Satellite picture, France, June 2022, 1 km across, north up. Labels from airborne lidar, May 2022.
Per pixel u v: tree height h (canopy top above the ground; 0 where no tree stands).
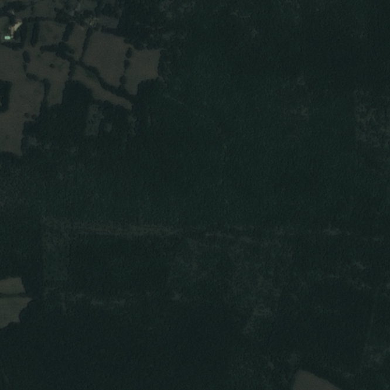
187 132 13
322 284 8
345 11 7
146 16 9
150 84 9
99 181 10
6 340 14
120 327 11
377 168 7
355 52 13
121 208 10
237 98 9
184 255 6
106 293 11
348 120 8
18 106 0
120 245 13
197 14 11
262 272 6
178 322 13
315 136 10
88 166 8
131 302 8
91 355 16
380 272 10
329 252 10
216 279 7
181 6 10
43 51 10
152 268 13
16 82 0
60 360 18
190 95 9
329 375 8
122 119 14
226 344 15
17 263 13
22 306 0
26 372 14
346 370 9
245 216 10
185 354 15
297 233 10
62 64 0
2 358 13
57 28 0
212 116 11
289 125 9
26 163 10
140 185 10
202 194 9
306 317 11
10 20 8
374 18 9
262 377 9
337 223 12
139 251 15
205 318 16
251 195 12
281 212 11
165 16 11
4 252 10
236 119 13
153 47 8
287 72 12
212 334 13
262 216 12
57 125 11
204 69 6
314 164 10
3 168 9
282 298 10
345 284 10
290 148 11
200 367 14
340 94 13
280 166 10
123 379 14
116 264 9
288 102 9
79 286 9
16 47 13
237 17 13
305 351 9
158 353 13
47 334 16
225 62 11
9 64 0
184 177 13
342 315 8
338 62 12
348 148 10
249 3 10
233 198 10
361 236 9
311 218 9
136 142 14
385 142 8
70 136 12
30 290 12
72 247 13
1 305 0
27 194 8
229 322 14
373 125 9
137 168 12
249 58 10
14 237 13
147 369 13
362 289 7
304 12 7
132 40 8
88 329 11
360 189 9
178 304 9
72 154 7
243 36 10
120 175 10
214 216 11
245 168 8
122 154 13
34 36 13
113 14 13
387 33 12
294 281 11
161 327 10
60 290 10
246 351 11
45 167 12
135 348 16
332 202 10
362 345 10
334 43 13
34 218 11
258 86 10
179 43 10
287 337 14
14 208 10
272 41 11
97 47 0
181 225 9
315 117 9
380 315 6
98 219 8
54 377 17
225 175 10
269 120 10
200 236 7
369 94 6
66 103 14
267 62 11
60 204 9
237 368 11
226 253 7
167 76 7
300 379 0
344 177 12
